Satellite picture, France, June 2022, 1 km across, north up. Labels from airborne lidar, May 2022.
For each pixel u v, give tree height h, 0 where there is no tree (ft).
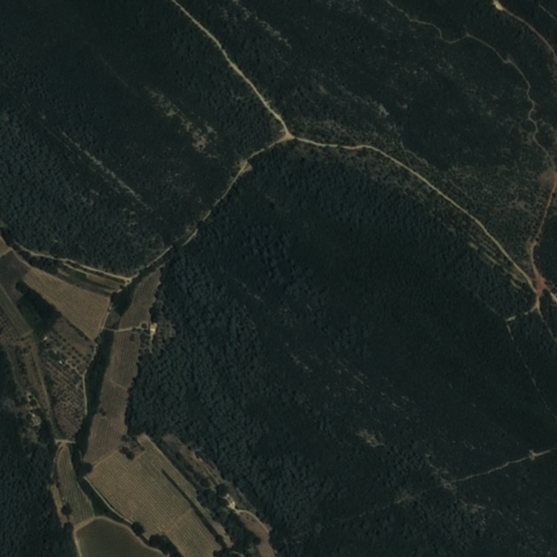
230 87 46
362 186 46
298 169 20
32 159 62
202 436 46
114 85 18
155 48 40
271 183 21
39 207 67
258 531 0
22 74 30
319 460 32
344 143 27
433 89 19
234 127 58
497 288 36
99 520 0
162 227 18
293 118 19
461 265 27
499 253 22
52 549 54
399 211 46
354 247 22
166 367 66
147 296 0
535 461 18
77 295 0
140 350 17
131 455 34
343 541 21
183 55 19
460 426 24
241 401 65
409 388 21
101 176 19
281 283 52
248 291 31
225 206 23
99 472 0
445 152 24
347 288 23
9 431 23
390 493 31
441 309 44
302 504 67
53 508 49
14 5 20
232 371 70
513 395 24
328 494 24
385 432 20
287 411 30
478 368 20
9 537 63
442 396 20
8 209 44
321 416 24
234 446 65
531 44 20
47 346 18
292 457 33
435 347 34
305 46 18
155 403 56
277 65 21
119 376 0
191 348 60
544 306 26
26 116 23
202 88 18
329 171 45
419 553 49
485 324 30
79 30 24
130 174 28
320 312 45
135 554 0
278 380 35
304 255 23
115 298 41
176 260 38
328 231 20
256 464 81
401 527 30
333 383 18
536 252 19
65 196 71
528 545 29
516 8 26
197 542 0
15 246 37
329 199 47
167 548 43
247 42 44
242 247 21
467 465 23
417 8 21
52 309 51
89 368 34
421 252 20
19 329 0
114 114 18
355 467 27
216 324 71
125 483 0
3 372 45
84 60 22
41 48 21
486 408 22
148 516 0
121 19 37
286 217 21
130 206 17
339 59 18
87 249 31
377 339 25
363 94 19
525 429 21
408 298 29
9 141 68
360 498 21
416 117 21
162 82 27
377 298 28
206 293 67
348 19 19
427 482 26
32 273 0
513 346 21
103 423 0
